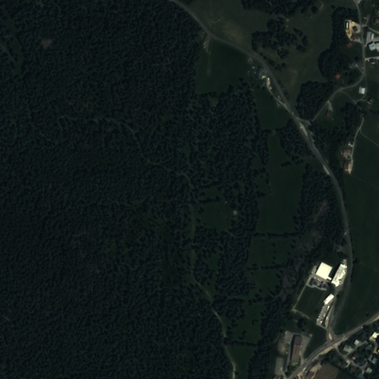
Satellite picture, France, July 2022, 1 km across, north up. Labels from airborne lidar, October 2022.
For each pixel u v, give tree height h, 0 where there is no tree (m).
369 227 0
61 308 6
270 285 0
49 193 19
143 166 24
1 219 14
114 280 23
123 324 21
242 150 31
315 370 0
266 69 0
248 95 21
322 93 24
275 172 0
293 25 0
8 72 26
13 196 18
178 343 25
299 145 22
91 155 26
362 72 0
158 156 32
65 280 28
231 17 0
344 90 0
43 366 15
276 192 0
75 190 29
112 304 20
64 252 21
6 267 17
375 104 0
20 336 14
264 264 0
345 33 14
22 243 22
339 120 0
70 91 21
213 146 31
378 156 0
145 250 25
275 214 0
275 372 0
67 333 27
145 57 25
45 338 11
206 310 27
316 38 0
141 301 27
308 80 0
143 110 14
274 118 0
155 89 19
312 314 0
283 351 0
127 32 25
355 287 0
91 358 26
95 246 24
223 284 31
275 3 15
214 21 0
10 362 27
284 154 0
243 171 27
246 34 0
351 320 0
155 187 22
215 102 0
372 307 0
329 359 16
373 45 0
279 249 0
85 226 15
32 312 15
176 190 19
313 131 28
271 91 0
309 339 0
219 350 28
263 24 0
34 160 21
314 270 0
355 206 0
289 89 0
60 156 23
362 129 0
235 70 0
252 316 0
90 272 24
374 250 0
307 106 9
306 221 25
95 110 10
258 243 0
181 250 8
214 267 0
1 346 28
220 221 0
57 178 29
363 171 0
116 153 21
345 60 18
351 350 0
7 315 24
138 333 31
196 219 0
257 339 0
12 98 24
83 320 12
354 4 0
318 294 0
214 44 0
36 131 11
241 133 29
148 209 32
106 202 32
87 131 28
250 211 9
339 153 0
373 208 0
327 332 0
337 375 0
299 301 0
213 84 0
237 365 0
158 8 20
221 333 22
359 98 0
